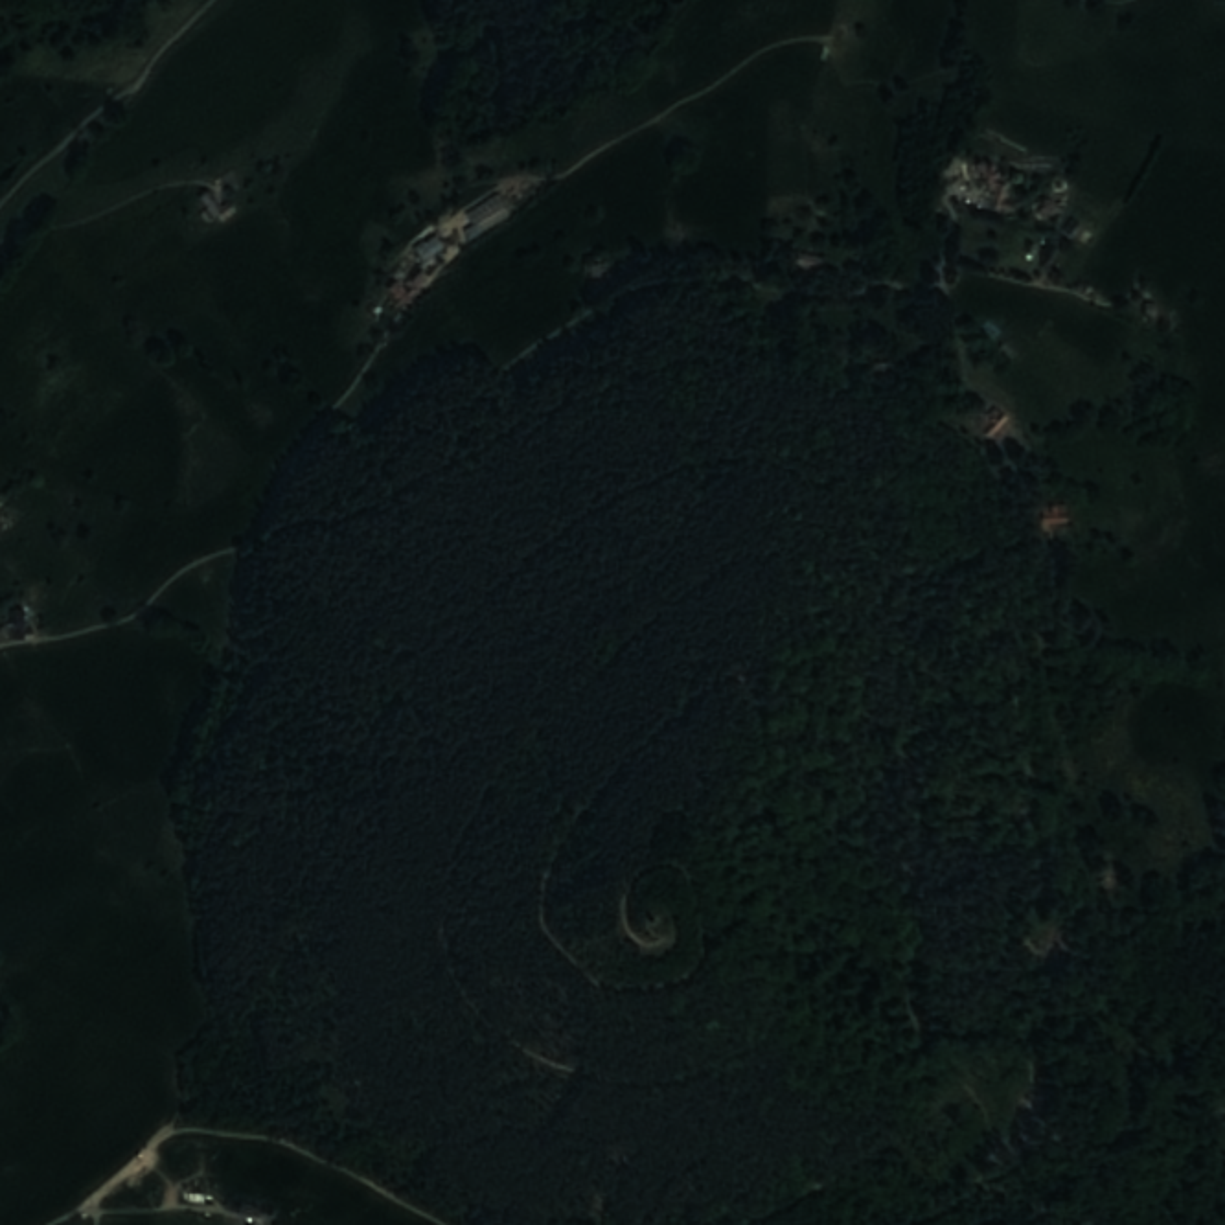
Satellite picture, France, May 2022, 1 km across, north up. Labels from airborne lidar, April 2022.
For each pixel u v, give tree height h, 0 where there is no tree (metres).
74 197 0
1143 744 0
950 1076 26
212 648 15
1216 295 0
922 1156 7
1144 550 0
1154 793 0
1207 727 0
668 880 10
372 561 25
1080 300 0
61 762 0
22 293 0
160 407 0
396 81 0
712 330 23
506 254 0
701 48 0
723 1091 19
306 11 0
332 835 26
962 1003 35
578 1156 19
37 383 0
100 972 0
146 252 0
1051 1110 31
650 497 23
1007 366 15
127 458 0
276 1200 0
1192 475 0
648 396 25
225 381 0
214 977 21
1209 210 0
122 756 0
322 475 27
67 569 0
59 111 0
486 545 20
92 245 0
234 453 0
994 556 29
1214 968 23
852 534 28
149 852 0
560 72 33
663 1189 21
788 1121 25
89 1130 0
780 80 0
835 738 32
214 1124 11
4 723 0
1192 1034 21
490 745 20
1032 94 0
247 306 0
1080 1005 30
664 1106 18
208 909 21
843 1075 25
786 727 33
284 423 0
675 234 0
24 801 0
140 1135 0
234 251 0
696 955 7
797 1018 25
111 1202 0
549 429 23
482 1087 16
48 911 0
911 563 34
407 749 22
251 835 22
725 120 0
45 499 0
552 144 0
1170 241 0
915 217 11
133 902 0
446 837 16
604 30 23
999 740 34
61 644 0
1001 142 0
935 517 25
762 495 25
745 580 25
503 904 19
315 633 26
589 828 14
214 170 0
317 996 25
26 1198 0
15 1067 0
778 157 0
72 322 0
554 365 21
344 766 16
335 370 0
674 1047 18
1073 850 13
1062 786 12
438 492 20
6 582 0
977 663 35
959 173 0
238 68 0
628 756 17
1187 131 0
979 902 39
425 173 0
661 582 25
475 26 23
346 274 0
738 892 17
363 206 0
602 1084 22
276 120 0
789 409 25
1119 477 0
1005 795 11
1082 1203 19
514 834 20
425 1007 19
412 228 0
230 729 27
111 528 0
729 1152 21
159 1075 0
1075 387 0
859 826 25
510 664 24
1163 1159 33
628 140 0
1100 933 19
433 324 0
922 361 11
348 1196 0
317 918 23
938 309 22
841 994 11
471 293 0
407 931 19
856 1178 14
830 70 0
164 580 0
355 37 0
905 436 23
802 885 30
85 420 0
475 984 17
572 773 23
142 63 0
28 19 21
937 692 29
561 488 23
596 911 19
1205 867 24
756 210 0
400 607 26
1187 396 20
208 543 0
